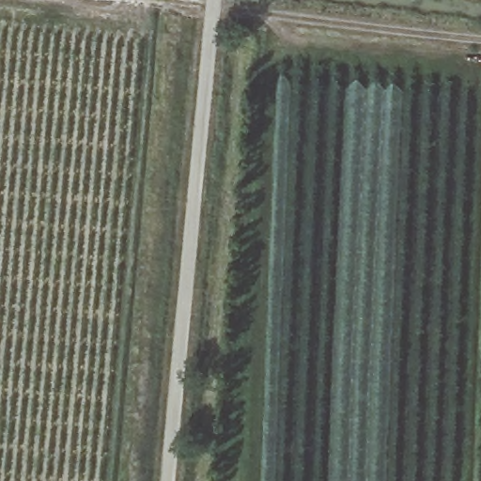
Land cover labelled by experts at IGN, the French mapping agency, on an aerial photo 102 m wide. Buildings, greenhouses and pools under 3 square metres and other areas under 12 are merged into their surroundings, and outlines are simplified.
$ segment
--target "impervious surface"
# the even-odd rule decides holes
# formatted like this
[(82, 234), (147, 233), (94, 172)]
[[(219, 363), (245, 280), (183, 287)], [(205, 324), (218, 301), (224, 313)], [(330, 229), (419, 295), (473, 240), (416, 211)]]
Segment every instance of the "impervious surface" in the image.
[(169, 374), (160, 481), (175, 481), (177, 457), (171, 453), (171, 443), (180, 430), (182, 421), (184, 387), (182, 381), (178, 380), (178, 374), (184, 370), (188, 357), (195, 257), (207, 160), (210, 101), (214, 85), (216, 24), (220, 21), (222, 13), (222, 0), (207, 0), (203, 23), (194, 141), (180, 257), (177, 316), (173, 334), (173, 357)]

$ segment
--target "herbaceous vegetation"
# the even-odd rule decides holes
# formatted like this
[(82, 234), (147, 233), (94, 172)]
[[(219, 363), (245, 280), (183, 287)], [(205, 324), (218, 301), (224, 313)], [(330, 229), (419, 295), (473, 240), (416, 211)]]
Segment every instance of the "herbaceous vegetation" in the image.
[(398, 45), (413, 53), (425, 54), (432, 58), (458, 53), (468, 64), (481, 64), (481, 15), (455, 11), (449, 15), (449, 11), (442, 9), (423, 9), (421, 4), (462, 4), (470, 8), (481, 8), (481, 0), (269, 0), (271, 8), (265, 23), (271, 26), (276, 36), (295, 45), (351, 49), (357, 41), (385, 43)]

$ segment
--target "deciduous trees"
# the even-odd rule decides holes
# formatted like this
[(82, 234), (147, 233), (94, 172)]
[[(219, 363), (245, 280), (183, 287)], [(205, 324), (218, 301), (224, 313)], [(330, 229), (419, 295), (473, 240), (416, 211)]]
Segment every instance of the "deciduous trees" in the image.
[(160, 481), (169, 374), (173, 357), (173, 334), (177, 316), (180, 257), (194, 141), (203, 23), (201, 19), (184, 17), (182, 13), (173, 9), (162, 11), (150, 8), (152, 38), (147, 39), (143, 36), (139, 41), (139, 64), (133, 109), (128, 109), (130, 86), (124, 86), (115, 199), (120, 199), (122, 188), (126, 188), (126, 205), (120, 242), (115, 333), (100, 481)]
[(468, 64), (458, 53), (432, 58), (425, 54), (413, 53), (398, 45), (385, 43), (357, 41), (351, 49), (295, 45), (276, 36), (271, 26), (265, 23), (271, 8), (269, 0), (222, 0), (222, 13), (220, 21), (216, 24), (214, 85), (210, 101), (207, 160), (195, 257), (188, 357), (184, 370), (178, 374), (178, 380), (182, 381), (184, 387), (182, 421), (180, 430), (171, 443), (171, 453), (177, 457), (175, 481), (481, 481), (481, 64)]

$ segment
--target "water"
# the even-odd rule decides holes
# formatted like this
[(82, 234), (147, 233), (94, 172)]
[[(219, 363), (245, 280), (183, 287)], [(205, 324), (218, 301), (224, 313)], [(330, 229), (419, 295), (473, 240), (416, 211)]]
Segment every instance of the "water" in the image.
[(449, 15), (455, 11), (481, 15), (481, 8), (470, 8), (462, 4), (421, 4), (423, 9), (442, 9), (449, 11)]

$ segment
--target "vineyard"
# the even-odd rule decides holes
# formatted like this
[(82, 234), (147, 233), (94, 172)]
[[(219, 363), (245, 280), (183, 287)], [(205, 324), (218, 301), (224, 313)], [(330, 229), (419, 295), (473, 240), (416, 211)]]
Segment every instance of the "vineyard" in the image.
[(115, 333), (120, 242), (126, 205), (126, 188), (122, 188), (120, 199), (115, 199), (124, 86), (130, 86), (128, 109), (133, 109), (139, 64), (139, 41), (143, 36), (147, 39), (152, 38), (150, 8), (162, 11), (173, 9), (182, 13), (184, 17), (201, 19), (203, 23), (207, 0), (0, 0), (0, 481), (100, 481)]

